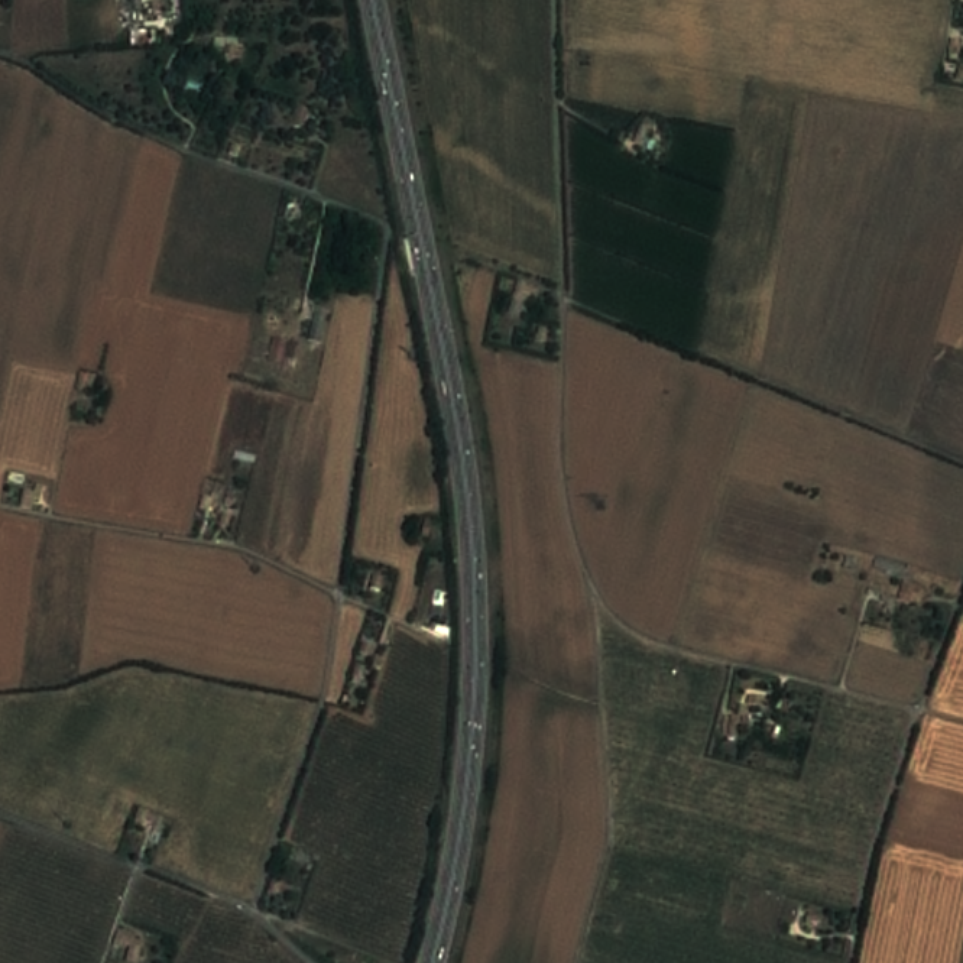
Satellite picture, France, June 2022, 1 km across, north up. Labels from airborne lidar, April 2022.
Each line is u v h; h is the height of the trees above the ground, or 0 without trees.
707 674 0
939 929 0
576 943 0
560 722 0
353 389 0
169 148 0
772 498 0
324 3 10
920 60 0
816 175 0
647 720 0
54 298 0
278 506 0
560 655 0
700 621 0
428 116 0
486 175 0
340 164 0
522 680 0
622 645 0
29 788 0
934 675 12
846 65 0
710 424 0
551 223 0
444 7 0
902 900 0
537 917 0
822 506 0
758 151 0
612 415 0
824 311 0
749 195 0
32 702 0
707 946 0
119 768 0
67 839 0
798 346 0
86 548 0
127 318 0
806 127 0
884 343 0
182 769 0
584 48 0
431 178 0
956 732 0
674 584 0
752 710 8
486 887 0
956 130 0
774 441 0
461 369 0
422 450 0
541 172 0
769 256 0
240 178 0
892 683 0
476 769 0
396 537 0
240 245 0
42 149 0
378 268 0
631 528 0
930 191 0
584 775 0
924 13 0
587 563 0
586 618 0
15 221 0
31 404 0
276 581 0
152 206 0
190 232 0
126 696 0
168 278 0
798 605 0
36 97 0
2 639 0
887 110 0
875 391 0
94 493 0
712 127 9
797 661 0
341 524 0
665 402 0
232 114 6
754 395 0
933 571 0
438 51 0
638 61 0
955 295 0
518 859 0
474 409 0
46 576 0
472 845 0
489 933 0
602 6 0
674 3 0
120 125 9
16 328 0
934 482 0
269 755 0
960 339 0
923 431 0
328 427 0
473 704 0
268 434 0
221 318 0
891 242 0
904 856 0
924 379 0
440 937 0
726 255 0
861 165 0
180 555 0
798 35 0
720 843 0
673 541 0
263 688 9
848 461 0
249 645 0
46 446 0
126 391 0
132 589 0
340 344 0
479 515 0
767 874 0
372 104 6
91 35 0
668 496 0
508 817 0
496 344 7
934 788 0
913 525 0
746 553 0
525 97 0
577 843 0
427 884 11
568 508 0
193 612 0
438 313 0
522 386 0
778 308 0
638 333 14
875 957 0
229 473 0
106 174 0
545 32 0
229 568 0
